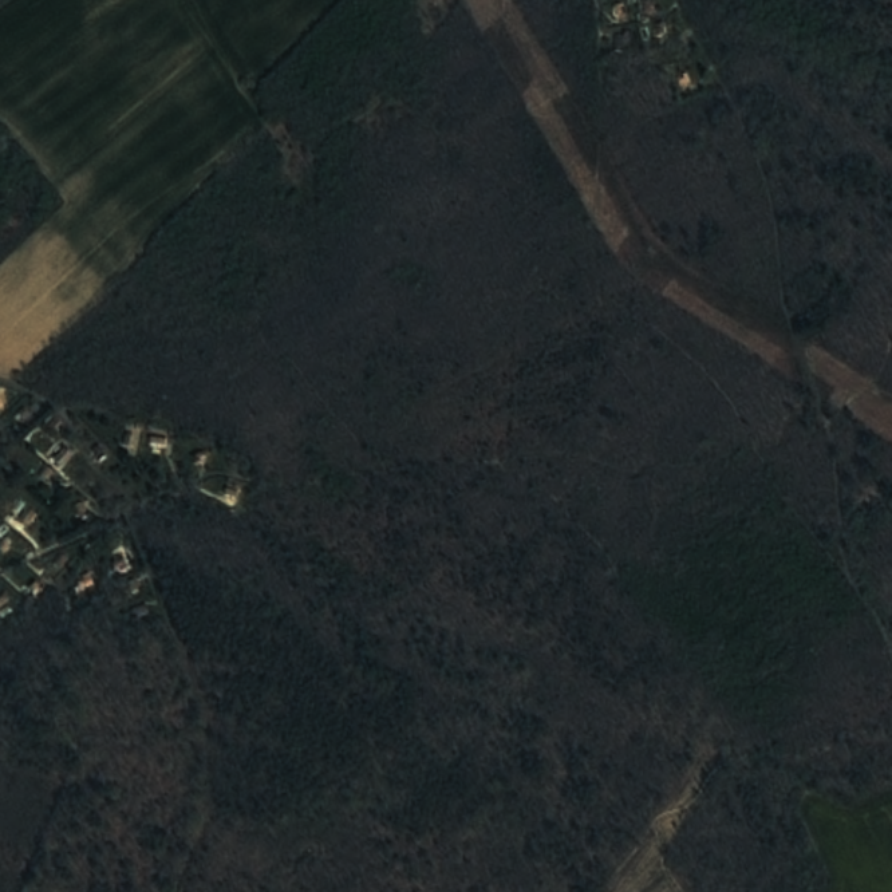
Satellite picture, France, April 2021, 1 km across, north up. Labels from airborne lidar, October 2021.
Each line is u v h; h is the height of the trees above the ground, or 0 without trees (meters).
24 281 0
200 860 11
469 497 13
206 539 17
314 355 13
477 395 10
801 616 13
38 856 17
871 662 11
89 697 15
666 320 10
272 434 11
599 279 12
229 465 18
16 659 15
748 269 17
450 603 9
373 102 10
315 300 13
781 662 14
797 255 16
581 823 18
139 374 13
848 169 29
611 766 9
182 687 16
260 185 19
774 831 19
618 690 12
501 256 14
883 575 17
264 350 13
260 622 25
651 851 0
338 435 17
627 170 9
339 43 12
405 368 13
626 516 10
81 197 0
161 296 13
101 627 21
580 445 15
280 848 14
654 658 16
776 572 16
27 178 19
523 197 11
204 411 14
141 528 18
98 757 22
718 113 21
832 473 12
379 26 14
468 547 11
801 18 20
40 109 0
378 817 15
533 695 12
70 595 8
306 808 24
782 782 20
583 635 15
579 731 11
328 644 15
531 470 10
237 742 18
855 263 14
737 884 17
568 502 11
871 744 8
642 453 13
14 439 12
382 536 8
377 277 13
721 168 14
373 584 13
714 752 17
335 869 14
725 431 15
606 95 13
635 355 13
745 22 23
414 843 16
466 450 6
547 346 9
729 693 12
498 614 7
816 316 15
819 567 12
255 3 0
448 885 11
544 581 14
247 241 14
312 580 15
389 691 23
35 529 12
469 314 12
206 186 10
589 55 13
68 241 0
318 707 26
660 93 16
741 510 16
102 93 0
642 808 14
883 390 10
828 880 10
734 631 6
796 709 10
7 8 0
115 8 0
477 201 9
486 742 23
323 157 19
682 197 11
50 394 12
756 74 19
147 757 9
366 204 22
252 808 17
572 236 11
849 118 23
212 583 19
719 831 19
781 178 19
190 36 0
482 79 12
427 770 19
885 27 18
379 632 16
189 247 13
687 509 10
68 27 0
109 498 18
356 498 13
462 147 15
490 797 17
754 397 15
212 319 13
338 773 25
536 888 15
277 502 12
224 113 0
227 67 0
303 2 0
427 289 11
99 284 0
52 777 11
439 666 14
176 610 23
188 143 0
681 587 12
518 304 14
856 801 15
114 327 14
